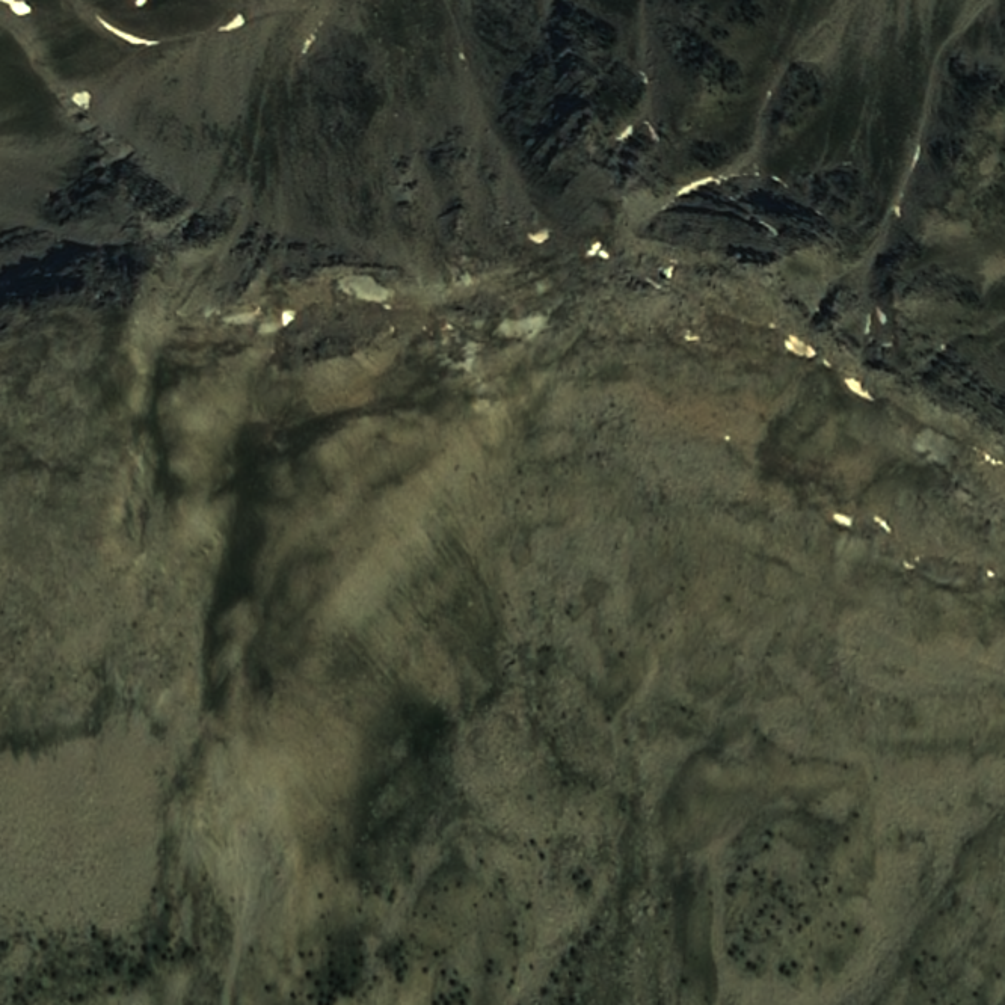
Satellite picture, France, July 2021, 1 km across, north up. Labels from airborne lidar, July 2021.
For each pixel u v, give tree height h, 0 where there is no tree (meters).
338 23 0
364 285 0
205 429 0
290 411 0
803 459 0
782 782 0
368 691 0
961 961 0
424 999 0
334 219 0
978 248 0
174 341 0
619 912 0
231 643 0
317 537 0
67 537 0
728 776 0
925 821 0
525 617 0
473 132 0
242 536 0
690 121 0
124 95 0
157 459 0
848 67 0
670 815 0
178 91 0
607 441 0
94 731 0
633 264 0
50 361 0
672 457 0
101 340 0
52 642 0
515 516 0
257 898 0
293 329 0
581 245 0
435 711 0
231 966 0
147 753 0
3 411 0
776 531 0
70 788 0
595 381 0
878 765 0
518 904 0
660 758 0
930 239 0
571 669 0
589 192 0
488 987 0
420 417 0
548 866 0
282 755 0
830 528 0
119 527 0
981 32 0
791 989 0
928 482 0
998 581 0
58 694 0
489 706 0
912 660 0
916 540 0
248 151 0
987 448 0
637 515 0
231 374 0
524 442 0
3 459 0
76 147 0
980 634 0
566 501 0
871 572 0
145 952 9
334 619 0
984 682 0
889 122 0
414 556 0
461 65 0
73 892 0
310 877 0
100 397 0
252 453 0
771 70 0
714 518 0
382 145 0
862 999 0
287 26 0
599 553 0
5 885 0
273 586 0
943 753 0
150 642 0
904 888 0
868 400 0
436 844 0
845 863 0
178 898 0
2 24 0
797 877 0
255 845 0
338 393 0
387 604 0
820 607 0
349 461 0
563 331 0
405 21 0
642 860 0
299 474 0
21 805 0
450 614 0
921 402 0
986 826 0
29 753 0
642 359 0
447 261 0
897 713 0
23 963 0
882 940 0
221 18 0
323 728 0
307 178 0
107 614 0
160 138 0
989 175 0
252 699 0
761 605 0
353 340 0
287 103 0
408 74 0
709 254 0
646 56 0
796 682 0
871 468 0
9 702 0
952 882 0
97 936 8
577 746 0
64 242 0
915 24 0
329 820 0
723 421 0
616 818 0
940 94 0
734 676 0
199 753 0
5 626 0
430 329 0
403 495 0
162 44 0
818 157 0
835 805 0
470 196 0
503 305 0
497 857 0
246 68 0
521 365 0
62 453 0
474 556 0
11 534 0
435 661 0
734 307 0
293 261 0
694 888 0
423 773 0
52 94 0
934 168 0
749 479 0
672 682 0
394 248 0
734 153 0
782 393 0
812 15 0
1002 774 0
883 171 0
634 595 0
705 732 0
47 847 0
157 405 0
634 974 0
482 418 0
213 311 0
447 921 0
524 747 0
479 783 0
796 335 0
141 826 0
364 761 0
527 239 0
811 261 0
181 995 0
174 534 0
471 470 0
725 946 0
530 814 0
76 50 0
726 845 0
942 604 0
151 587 0
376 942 0
